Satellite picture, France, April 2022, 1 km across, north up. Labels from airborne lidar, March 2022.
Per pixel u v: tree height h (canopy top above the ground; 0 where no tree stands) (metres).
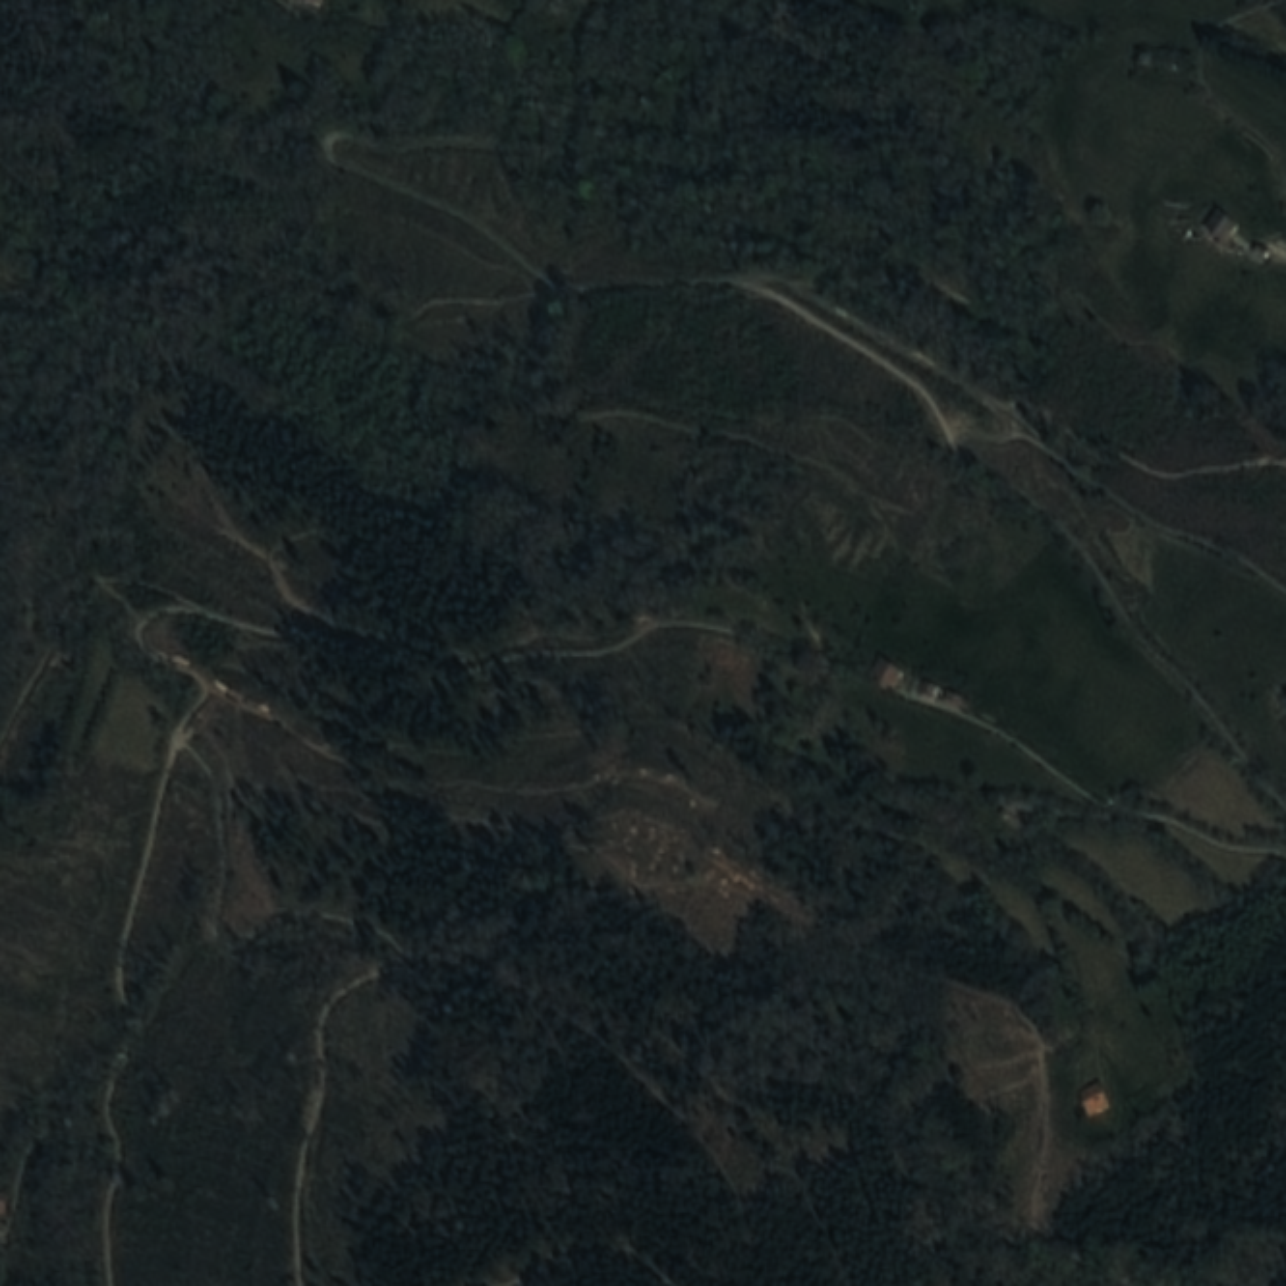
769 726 15
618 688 0
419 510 9
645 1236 25
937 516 0
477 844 18
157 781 0
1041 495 0
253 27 0
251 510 29
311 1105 0
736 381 6
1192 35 0
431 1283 20
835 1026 10
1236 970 23
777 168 27
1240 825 0
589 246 0
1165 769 0
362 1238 22
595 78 21
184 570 0
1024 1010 16
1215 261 0
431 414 24
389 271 0
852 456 0
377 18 0
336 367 16
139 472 16
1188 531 0
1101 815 12
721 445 6
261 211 12
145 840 0
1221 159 0
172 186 10
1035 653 0
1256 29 0
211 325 28
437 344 0
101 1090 15
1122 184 0
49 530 18
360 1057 0
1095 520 0
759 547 26
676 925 22
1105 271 0
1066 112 0
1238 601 0
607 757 20
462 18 0
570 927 17
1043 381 18
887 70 26
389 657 8
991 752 0
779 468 9
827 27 34
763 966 16
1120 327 0
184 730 0
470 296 0
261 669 0
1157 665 0
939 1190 23
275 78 0
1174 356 0
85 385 22
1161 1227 15
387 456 16
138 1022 16
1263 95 0
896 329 29
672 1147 16
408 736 27
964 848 15
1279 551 0
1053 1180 0
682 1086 27
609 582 29
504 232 0
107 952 0
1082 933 16
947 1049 19
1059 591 0
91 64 26
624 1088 14
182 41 26
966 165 19
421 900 27
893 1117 26
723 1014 23
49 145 20
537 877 22
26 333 21
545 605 29
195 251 20
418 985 19
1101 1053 0
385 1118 0
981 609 0
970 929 19
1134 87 0
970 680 6
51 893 0
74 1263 19
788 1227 26
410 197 0
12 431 14
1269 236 0
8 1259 17
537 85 18
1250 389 0
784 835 25
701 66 11
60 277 24
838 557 0
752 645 15
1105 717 0
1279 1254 17
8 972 0
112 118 31
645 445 0
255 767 0
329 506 32
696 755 0
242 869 0
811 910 21
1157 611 0
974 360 33
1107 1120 0
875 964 19
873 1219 22
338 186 28
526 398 26
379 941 24
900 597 0
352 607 28
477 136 11
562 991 21
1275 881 17
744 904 0
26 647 18
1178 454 0
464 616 26
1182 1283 18
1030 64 20
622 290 9
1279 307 0
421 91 22
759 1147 21
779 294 0
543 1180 21
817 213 18
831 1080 26
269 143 19
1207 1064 17
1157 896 0
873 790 25
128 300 19
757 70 24
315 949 10
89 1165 16
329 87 24
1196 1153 21
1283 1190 16
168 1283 0
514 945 21
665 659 0
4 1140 0
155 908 0
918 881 18
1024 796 13
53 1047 0
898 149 21
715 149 21
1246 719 0
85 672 8
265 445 31
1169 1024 0
